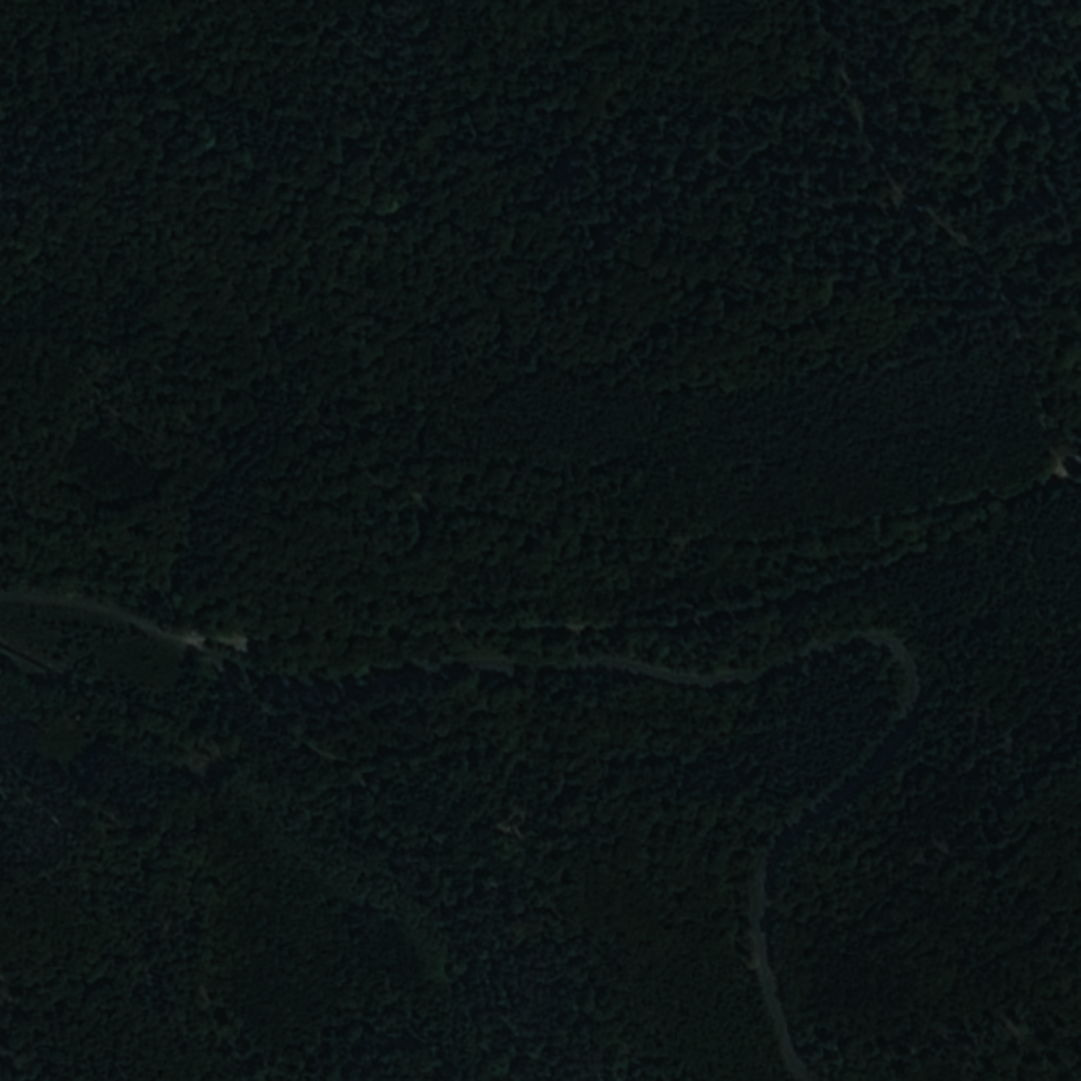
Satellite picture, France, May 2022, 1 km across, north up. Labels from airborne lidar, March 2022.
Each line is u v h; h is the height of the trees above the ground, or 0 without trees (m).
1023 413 21
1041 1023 15
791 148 20
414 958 21
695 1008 15
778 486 14
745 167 16
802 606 27
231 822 11
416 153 20
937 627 22
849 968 16
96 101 26
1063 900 15
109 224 29
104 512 30
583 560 29
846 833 14
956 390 24
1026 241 11
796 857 19
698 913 20
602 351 26
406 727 36
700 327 28
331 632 26
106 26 30
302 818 17
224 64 27
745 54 28
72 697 30
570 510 9
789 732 27
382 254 29
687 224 31
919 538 24
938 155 31
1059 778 26
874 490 16
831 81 29
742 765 24
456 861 19
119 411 24
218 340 27
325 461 27
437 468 27
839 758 27
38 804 28
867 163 30
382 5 28
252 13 15
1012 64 54
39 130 24
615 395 15
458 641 30
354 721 42
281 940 12
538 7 25
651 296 31
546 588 13
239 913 13
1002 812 29
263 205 31
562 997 28
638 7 16
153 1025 18
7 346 24
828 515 20
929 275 43
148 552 32
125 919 26
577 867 23
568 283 32
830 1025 13
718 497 15
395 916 20
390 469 24
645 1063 28
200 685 8
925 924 14
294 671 24
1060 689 15
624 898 21
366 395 25
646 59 16
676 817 22
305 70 19
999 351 20
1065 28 45
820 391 18
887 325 26
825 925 17
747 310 29
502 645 11
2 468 24
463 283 33
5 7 15
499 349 33
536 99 25
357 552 25
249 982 12
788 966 12
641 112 29
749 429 22
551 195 36
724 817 25
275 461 25
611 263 30
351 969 15
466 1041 9
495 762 20
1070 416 27
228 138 29
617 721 23
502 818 18
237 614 30
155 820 29
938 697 24
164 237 27
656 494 15
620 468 23
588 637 11
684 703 15
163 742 16
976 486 18
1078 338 19
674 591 18
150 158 28
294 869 10
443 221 26
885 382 25
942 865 14
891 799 15
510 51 21
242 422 23
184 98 28
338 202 33
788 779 23
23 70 21
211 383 28
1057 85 32
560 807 22
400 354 27
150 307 23
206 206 30
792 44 25
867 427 17
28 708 26
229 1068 22
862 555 13
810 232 16
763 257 25
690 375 24
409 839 17
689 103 22
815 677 30
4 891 22
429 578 29
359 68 24
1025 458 16
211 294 27
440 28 25
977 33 36
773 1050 13
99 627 8
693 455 15
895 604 20
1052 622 12
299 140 28
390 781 26
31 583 30
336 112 26
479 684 31
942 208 13
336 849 17
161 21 19
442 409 17
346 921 10
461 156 28
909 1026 7
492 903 20
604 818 17
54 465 27
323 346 26
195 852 30
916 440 20
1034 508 20
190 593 33
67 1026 28
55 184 33
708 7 22
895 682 24
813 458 19
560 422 19
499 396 22
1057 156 26
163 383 25
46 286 20
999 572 13
